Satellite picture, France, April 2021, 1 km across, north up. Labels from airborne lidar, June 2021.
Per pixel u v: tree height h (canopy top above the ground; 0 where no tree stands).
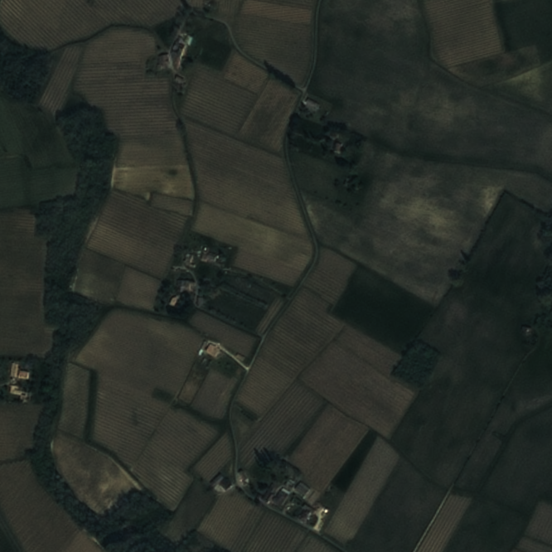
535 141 0
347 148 14
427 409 0
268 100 0
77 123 22
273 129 0
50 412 14
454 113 0
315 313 0
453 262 0
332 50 0
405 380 11
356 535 0
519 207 0
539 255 0
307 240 0
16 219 0
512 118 0
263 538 0
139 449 0
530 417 0
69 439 0
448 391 0
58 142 0
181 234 0
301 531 0
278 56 0
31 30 0
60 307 17
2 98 0
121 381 0
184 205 0
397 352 0
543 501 0
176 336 0
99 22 0
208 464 0
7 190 0
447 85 0
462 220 0
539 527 0
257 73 0
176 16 8
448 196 0
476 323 0
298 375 0
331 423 0
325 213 0
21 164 0
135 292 0
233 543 0
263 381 0
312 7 0
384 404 0
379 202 0
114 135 14
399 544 0
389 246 0
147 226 0
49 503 0
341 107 0
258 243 0
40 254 0
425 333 0
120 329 0
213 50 0
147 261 0
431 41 0
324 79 0
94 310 13
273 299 0
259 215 0
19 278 0
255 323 0
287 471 20
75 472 0
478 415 0
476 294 0
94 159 29
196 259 0
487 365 0
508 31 0
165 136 0
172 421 0
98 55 0
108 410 0
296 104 0
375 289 0
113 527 15
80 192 15
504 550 0
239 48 0
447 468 0
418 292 0
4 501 0
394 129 0
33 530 0
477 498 0
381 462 0
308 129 0
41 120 0
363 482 0
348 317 0
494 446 0
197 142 0
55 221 13
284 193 0
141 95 0
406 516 0
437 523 0
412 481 0
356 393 0
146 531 10
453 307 0
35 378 7
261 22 0
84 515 20
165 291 15
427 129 0
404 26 0
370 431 0
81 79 0
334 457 0
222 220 0
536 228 0
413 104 0
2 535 0
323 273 0
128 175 0
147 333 0
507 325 0
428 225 0
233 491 0
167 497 0
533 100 0
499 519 0
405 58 0
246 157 0
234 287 6
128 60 0
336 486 0
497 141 0
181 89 7
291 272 0
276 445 0
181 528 0
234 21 0
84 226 12
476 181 0
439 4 0
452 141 0
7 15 0
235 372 0
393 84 0
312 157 0
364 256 0
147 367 0
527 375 0
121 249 0
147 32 0
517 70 0
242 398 0
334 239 0
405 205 0
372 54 0
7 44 23
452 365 0
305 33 0
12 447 0
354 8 0
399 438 0
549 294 26
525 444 0
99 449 0
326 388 0
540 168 0
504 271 0
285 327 0
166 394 0
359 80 0
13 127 0
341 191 0
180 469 0
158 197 0
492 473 0
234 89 0
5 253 0
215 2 11
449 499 0
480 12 0
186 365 0
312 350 0
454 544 0
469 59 0
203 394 0
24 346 0
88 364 0
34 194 0
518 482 0
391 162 0
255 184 0
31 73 22
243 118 0
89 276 0
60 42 0
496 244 0
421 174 0
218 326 0
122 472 0
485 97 0
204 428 0
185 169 0
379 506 0
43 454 15
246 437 0
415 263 0
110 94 0
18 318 0
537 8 0
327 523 0
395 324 0
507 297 0
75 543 0
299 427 0
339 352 0
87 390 0
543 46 0
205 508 0
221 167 0
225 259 10
